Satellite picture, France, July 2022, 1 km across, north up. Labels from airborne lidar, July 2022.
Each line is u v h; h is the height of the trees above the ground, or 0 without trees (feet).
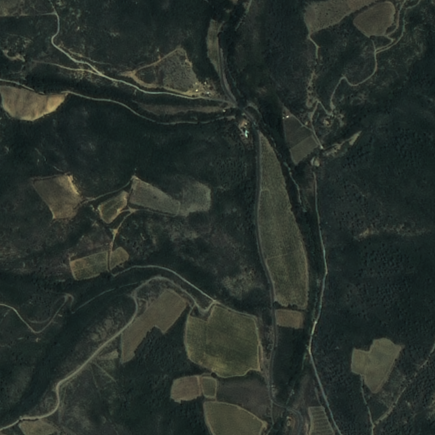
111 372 0
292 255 0
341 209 0
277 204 0
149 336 32
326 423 0
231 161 25
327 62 35
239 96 26
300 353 42
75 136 0
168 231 0
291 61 19
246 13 19
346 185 23
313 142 0
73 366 0
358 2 0
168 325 0
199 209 0
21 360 31
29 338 28
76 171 0
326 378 18
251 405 0
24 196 0
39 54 0
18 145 29
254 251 23
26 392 21
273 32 18
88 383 0
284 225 0
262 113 36
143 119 18
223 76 0
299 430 0
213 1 48
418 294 27
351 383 32
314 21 0
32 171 21
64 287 41
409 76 40
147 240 25
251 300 25
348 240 24
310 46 0
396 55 23
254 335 0
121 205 0
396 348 0
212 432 0
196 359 0
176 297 0
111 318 0
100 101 19
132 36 0
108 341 0
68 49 0
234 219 18
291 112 24
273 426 22
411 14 23
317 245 20
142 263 20
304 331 22
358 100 18
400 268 32
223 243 0
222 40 43
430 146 19
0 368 21
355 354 0
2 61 19
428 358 30
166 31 0
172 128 20
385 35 0
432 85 31
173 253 19
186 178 0
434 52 24
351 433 32
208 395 0
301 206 22
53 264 25
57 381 0
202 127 21
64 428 0
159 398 21
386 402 0
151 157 17
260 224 0
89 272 0
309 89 35
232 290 0
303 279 0
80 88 38
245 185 34
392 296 32
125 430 0
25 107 0
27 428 0
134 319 0
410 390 27
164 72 0
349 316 19
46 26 0
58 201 0
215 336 0
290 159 33
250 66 20
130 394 33
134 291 0
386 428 32
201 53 25
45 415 0
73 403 0
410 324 27
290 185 30
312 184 0
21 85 31
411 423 37
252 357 0
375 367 0
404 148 37
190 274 18
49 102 0
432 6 21
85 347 0
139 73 0
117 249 0
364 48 0
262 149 0
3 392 37
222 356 0
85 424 0
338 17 0
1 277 18
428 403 35
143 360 32
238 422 0
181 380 0
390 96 41
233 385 0
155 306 0
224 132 18
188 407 25
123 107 20
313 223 44
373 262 37
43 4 0
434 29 30
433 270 29
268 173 0
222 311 0
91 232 0
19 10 0
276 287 0
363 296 25
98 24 0
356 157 39
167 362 32
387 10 0
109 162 0
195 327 0
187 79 0
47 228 0
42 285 23
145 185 0
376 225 32
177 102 23
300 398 0
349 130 36
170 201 0
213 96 0
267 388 0
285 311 0
